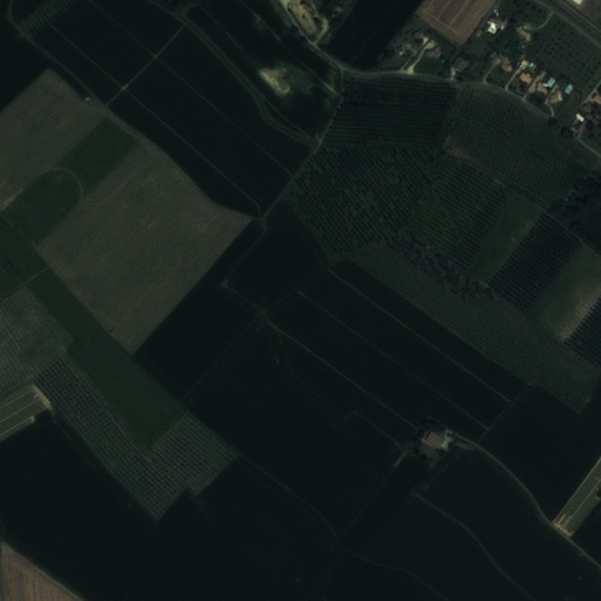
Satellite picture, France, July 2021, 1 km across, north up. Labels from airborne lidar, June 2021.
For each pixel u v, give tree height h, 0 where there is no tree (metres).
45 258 0
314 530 0
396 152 14
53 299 0
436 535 0
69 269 0
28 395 0
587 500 0
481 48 0
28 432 0
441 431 9
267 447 0
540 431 0
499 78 0
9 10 0
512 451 0
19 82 0
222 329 0
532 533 0
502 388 0
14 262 0
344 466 0
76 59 0
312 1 0
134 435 0
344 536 0
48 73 0
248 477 0
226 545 0
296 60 0
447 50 0
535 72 0
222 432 0
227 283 0
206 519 0
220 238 0
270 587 0
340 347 0
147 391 0
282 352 0
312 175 15
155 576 0
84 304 0
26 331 0
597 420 0
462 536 0
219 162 0
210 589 0
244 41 0
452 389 0
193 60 0
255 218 0
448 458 0
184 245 0
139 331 0
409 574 0
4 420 0
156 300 0
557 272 18
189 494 0
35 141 0
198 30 0
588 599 0
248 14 0
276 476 0
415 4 0
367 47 0
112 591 0
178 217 0
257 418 0
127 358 0
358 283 0
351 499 0
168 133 0
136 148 0
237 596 0
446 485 0
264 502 0
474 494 0
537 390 0
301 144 0
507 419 0
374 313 0
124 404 0
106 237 0
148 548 0
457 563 0
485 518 0
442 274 16
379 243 13
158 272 0
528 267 19
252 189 0
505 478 0
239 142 0
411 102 18
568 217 16
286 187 0
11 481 0
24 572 0
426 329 0
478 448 0
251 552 0
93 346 0
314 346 0
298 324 0
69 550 0
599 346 17
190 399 0
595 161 0
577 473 0
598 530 0
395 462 0
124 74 0
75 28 0
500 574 0
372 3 0
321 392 0
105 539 0
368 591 0
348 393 0
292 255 0
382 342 0
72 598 0
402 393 0
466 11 0
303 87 0
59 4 8
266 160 0
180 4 30
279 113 0
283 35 0
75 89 0
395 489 0
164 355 0
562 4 0
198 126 0
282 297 0
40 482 0
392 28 0
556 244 17
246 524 0
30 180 0
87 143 0
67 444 0
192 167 0
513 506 0
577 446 0
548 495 0
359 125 15
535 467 0
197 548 0
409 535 0
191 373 0
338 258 0
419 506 0
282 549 0
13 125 0
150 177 0
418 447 8
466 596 0
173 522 0
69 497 0
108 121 0
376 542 0
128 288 0
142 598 0
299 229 0
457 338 0
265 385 0
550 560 0
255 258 0
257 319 0
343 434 0
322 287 0
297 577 0
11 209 0
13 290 0
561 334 0
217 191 0
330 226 13
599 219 18
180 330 0
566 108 0
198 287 0
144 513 0
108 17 0
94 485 0
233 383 0
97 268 0
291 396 0
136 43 0
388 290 0
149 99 0
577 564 0
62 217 0
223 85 0
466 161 0
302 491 0
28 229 0
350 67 0
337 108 0
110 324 0
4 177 0
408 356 0
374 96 18
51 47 0
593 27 0
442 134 15
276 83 0
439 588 0
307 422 0
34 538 0
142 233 0
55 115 0
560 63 0
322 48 7
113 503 0
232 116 0
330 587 0
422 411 0
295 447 0
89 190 0
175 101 0
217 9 0
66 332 0
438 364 0
